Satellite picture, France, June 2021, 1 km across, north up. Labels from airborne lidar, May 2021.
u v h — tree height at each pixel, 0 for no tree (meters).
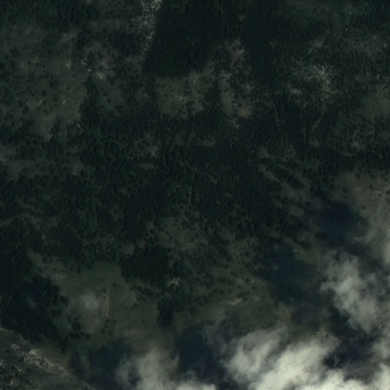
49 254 7
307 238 0
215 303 0
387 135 0
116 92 0
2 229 12
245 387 0
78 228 11
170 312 10
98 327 0
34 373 0
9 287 16
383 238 0
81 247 10
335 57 11
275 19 14
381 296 0
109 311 0
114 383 0
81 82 0
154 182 10
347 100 6
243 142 7
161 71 13
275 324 0
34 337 11
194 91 0
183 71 9
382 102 0
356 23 7
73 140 12
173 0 16
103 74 0
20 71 0
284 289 0
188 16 16
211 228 8
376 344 0
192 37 10
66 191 8
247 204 9
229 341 0
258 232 15
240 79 6
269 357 0
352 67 9
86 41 9
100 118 8
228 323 0
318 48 8
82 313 0
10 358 0
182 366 0
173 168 14
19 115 0
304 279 0
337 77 7
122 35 7
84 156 14
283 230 14
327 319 0
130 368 0
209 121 18
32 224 7
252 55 9
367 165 8
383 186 0
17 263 15
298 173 0
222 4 12
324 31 6
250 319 0
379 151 11
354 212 0
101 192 6
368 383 0
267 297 0
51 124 0
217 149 10
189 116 7
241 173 12
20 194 10
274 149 7
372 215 0
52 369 0
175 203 12
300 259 0
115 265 0
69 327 0
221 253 6
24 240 7
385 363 0
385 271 0
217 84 9
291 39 12
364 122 6
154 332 0
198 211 8
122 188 8
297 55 7
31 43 0
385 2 8
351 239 0
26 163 0
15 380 0
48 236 7
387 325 0
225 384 0
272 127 10
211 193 9
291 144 9
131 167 10
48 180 11
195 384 0
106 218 11
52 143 12
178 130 13
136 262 19
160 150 6
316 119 12
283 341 0
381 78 7
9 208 11
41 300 15
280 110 12
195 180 7
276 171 12
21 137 12
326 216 6
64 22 9
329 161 12
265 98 7
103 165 12
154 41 11
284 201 8
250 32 11
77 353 0
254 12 13
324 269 0
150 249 15
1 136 11
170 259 9
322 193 17
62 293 0
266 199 7
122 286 0
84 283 0
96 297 0
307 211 11
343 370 0
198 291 0
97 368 0
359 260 0
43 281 12
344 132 8
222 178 8
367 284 0
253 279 0
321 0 7
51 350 0
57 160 7
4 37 0
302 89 7
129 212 15
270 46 13
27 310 15
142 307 0
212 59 6
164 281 12
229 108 0
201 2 7
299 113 12
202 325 0
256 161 11
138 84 7
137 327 0
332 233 0
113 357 0
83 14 17
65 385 0
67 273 0
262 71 16
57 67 0
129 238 13
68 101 0
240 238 6
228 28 13
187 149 12
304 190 0
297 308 0
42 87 0
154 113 6
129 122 10
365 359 0
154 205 14
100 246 7
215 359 0
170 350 0
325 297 0
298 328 0
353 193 0
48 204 7
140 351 0
